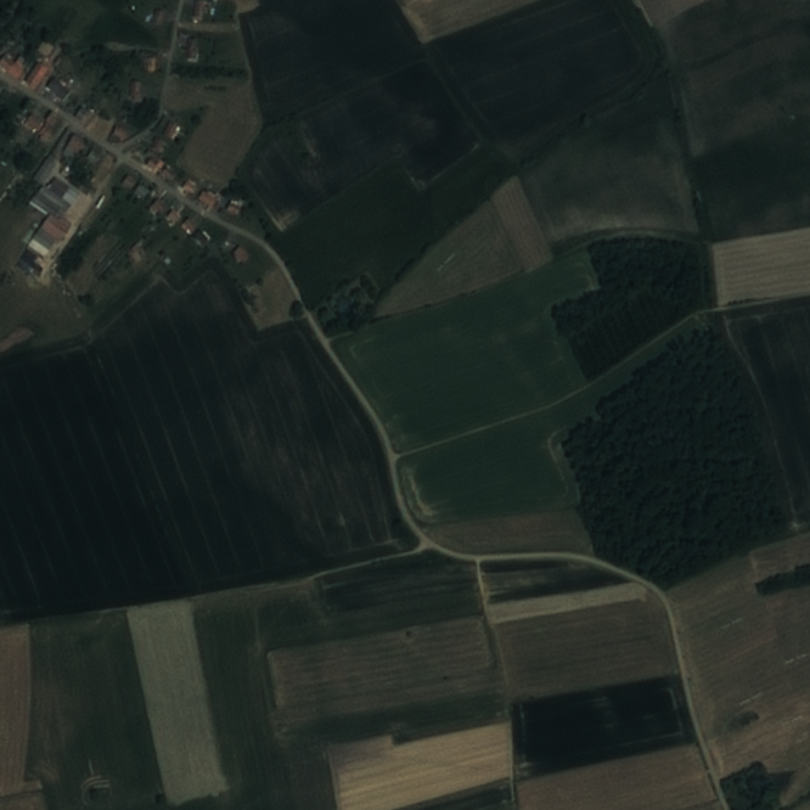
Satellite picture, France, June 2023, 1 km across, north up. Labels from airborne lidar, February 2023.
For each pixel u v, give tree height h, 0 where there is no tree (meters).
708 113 0
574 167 0
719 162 0
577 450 16
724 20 0
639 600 0
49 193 0
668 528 15
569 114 0
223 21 0
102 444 0
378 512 0
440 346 0
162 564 0
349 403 0
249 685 0
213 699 0
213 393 0
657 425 27
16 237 0
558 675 0
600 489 19
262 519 0
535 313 0
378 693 0
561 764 0
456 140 0
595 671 0
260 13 0
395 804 0
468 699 0
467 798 0
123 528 0
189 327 0
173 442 0
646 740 0
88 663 0
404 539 0
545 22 0
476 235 0
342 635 0
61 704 0
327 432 0
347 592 0
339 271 0
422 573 0
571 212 0
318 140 0
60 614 0
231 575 0
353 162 0
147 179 0
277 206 0
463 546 0
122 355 0
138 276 0
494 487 0
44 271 0
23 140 0
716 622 0
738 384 19
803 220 0
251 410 0
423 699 0
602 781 0
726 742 0
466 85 0
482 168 0
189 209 0
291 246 0
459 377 0
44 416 0
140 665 0
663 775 0
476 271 0
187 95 0
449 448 0
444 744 0
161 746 0
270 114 0
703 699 0
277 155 0
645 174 0
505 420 0
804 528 0
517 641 0
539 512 0
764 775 14
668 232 0
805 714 0
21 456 0
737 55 0
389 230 0
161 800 14
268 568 0
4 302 0
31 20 13
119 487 0
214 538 0
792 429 0
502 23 0
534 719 0
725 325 0
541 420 0
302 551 0
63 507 0
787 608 0
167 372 0
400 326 0
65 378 0
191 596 0
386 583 0
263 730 0
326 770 0
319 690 0
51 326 0
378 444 0
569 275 0
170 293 0
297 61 0
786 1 0
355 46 0
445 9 0
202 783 0
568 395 0
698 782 0
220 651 0
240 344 0
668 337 0
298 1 0
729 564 0
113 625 0
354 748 0
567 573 0
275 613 0
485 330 0
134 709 0
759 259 0
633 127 0
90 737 0
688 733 0
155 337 0
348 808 0
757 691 0
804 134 0
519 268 0
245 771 0
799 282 0
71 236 0
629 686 0
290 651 0
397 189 0
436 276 0
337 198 0
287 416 0
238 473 0
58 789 0
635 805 0
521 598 0
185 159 0
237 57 0
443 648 0
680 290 23
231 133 0
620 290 21
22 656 0
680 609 0
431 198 0
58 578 0
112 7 0
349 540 0
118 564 0
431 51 0
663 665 0
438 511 0
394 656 0
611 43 0
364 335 0
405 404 0
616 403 19
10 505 0
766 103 0
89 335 0
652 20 0
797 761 0
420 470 0
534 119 0
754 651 0
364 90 0
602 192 0
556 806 0
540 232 0
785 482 0
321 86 0
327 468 0
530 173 0
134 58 10
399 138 0
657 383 26
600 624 0
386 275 0
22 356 0
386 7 0
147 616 0
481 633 0
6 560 0
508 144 0
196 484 0
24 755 0
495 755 0
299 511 0
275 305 0
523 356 0
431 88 0
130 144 0
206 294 0
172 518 0
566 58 0
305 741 0
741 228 0
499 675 0
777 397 0
